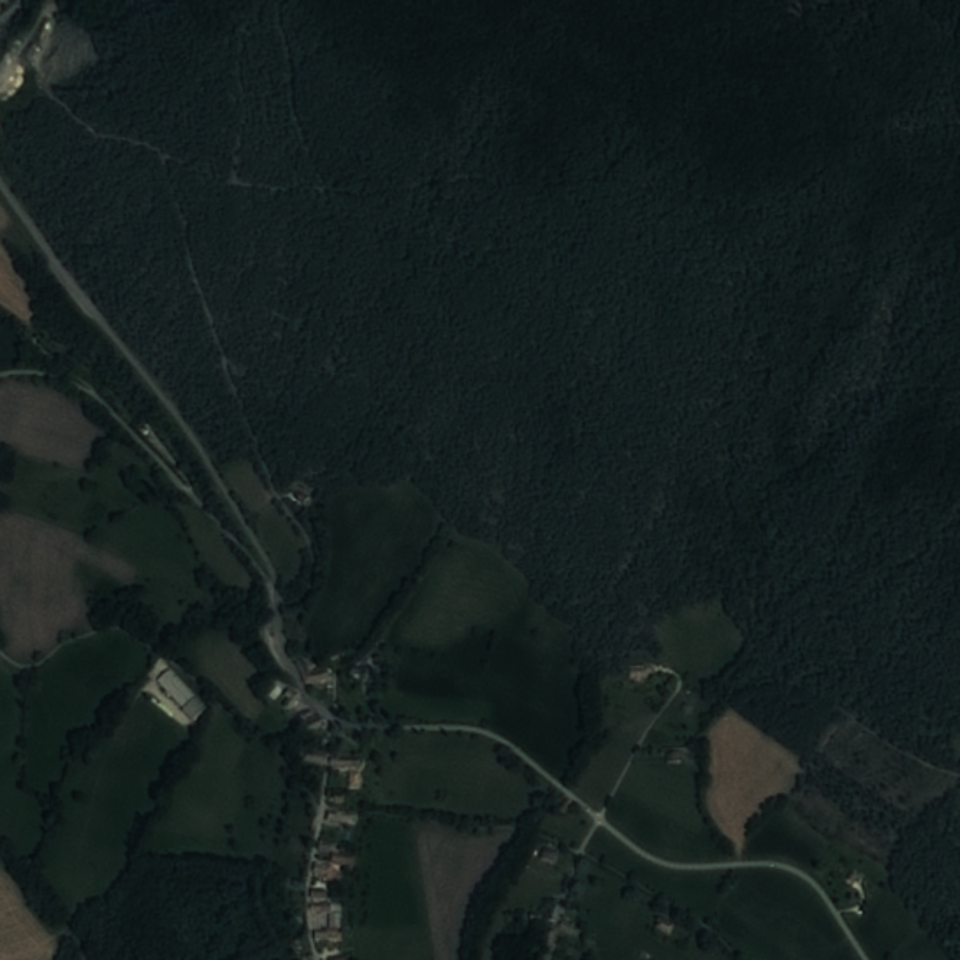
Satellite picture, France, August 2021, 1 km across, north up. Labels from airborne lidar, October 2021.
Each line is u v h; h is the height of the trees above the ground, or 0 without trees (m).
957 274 15
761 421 17
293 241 8
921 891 8
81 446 0
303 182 7
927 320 13
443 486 8
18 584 0
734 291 13
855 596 18
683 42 25
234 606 19
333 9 18
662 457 10
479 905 21
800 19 21
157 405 12
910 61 19
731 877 14
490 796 0
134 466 10
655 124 24
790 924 0
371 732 9
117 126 9
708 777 15
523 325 9
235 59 11
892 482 26
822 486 15
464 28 23
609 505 7
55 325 11
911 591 11
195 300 8
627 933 0
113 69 10
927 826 12
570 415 17
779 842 0
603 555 7
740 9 17
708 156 18
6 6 9
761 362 17
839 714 14
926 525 17
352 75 9
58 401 0
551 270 10
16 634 0
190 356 9
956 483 15
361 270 13
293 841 12
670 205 8
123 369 13
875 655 12
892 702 16
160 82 15
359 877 5
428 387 7
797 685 11
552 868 0
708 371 9
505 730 0
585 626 10
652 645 8
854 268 9
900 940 0
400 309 15
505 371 10
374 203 14
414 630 0
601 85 18
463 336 9
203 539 0
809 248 18
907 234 10
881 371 8
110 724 20
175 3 16
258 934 10
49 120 12
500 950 20
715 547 9
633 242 14
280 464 16
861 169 18
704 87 24
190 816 0
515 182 16
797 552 13
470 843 0
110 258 9
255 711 0
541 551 12
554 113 17
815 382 14
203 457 0
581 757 17
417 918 0
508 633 0
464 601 0
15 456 19
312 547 9
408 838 0
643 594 9
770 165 17
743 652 13
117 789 0
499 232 9
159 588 0
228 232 10
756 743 0
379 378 11
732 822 0
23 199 7
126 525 0
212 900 8
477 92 12
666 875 0
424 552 9
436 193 6
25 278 11
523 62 17
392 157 16
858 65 17
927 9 15
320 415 10
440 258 11
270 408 11
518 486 8
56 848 0
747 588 10
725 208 14
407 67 17
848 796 11
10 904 0
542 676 0
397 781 0
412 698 0
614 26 20
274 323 9
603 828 0
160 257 9
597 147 16
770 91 27
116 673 0
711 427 10
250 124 6
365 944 0
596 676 11
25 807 0
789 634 13
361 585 0
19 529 0
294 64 13
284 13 11
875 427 13
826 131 19
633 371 9
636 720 0
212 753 0
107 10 13
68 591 0
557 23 20
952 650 11
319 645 10
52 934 0
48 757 0
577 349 12
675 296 8
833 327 16
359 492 0
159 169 9
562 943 8
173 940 9
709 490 10
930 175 12
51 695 0
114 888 13
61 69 0
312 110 13
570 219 13
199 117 11
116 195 8
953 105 10
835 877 9
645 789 0
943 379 13
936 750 11
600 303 10
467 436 9
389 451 10
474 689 0
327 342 9
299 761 14
